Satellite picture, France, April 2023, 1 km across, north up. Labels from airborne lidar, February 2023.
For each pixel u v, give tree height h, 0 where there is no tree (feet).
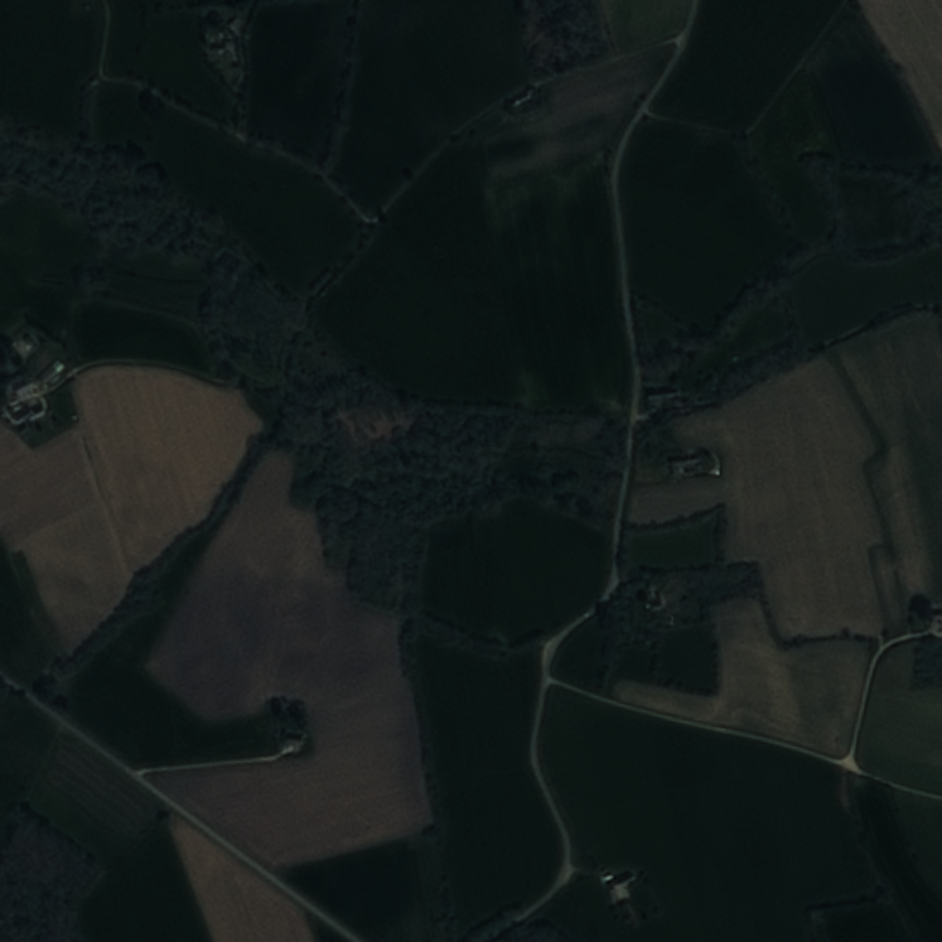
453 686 0
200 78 0
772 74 0
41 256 0
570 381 0
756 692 0
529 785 0
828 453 0
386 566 26
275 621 0
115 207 47
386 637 0
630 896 0
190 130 0
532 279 0
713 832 0
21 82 0
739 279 0
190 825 0
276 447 31
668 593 0
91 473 0
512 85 0
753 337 0
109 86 0
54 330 0
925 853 0
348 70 26
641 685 0
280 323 67
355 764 0
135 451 0
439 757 0
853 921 0
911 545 0
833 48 0
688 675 0
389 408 33
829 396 0
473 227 0
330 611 0
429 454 30
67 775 0
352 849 0
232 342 20
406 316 0
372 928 0
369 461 33
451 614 0
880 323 40
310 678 0
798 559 0
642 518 0
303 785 0
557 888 0
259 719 0
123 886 0
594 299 0
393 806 0
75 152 34
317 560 0
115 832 0
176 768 0
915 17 0
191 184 0
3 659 0
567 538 0
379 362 0
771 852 0
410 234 0
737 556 0
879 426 0
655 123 0
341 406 38
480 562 0
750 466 0
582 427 26
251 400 0
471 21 0
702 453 36
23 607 0
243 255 22
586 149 0
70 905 39
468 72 0
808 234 0
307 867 0
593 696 0
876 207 0
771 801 0
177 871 0
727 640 0
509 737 0
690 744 0
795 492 0
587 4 45
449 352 0
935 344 0
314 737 0
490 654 36
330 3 0
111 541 0
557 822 0
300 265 0
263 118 0
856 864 0
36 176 27
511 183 0
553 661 0
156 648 0
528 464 0
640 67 0
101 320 0
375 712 0
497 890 0
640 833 0
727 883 0
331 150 30
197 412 0
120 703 0
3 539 0
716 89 0
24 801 0
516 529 0
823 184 31
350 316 0
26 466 0
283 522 0
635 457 36
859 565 0
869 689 0
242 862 0
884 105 0
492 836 0
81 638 0
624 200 0
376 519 52
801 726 0
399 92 0
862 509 0
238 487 45
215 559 0
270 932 0
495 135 0
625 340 0
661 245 0
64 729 0
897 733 0
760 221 0
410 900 0
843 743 0
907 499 0
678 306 0
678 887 0
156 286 0
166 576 0
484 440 56
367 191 0
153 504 0
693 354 38
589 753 0
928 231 28
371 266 0
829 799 0
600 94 0
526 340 0
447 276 0
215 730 0
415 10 0
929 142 0
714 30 0
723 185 0
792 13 0
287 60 0
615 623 29
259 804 0
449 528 0
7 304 0
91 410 0
